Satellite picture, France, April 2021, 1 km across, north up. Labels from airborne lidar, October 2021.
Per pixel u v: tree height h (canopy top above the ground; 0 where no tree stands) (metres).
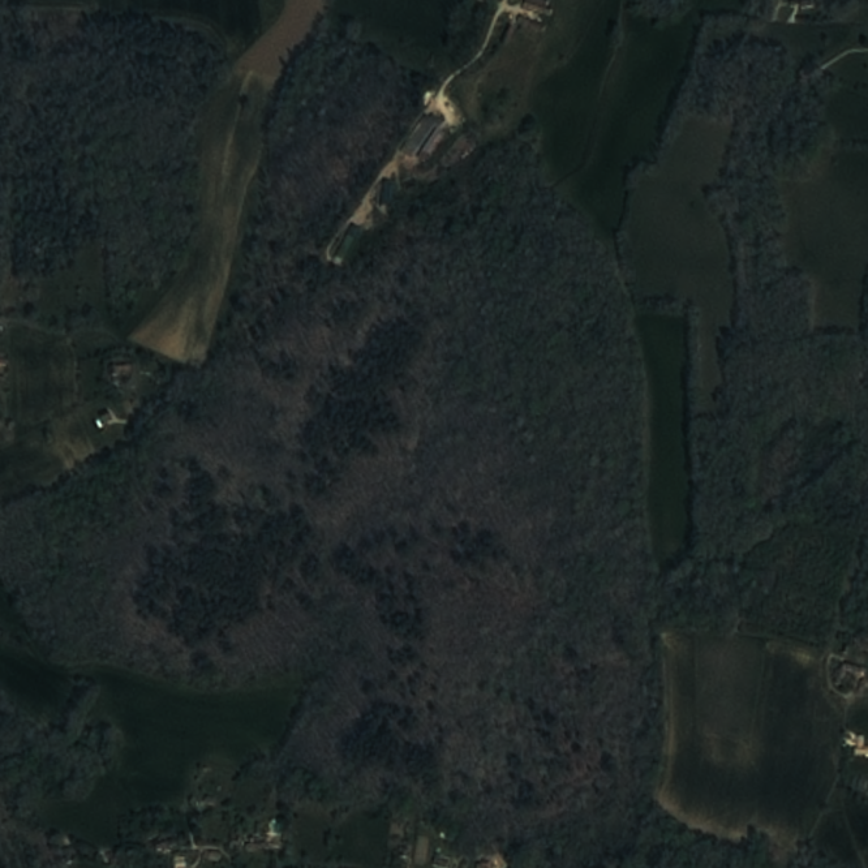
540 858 22
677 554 0
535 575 14
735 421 24
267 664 17
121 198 25
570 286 21
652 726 14
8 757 12
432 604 10
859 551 11
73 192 15
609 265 21
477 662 13
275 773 15
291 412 16
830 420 13
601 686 12
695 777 0
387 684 10
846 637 9
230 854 6
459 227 23
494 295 19
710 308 0
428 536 15
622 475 15
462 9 19
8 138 12
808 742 0
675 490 0
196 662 15
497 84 0
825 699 0
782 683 0
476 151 8
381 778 18
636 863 25
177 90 12
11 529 20
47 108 18
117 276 15
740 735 0
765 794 0
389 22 0
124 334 0
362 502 15
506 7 0
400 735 13
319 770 19
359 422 26
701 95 21
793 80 25
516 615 7
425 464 16
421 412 16
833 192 0
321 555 15
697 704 0
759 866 22
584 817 14
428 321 17
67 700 0
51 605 18
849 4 17
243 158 0
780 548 8
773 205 26
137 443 15
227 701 0
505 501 14
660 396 0
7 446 0
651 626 16
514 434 17
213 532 25
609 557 17
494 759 16
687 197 0
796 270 0
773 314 23
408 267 14
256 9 0
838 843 0
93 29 23
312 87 21
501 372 20
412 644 16
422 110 19
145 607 26
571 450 16
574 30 0
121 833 6
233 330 8
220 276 0
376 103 18
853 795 8
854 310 0
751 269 12
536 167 20
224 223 0
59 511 26
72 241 22
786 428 10
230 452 17
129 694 0
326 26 13
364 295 18
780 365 18
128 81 19
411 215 6
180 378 16
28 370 0
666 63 0
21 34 17
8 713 20
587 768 10
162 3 0
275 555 27
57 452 0
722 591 22
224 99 0
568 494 14
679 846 25
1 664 0
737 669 0
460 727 13
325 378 19
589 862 21
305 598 17
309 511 16
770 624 8
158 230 23
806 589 8
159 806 0
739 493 25
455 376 27
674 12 14
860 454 22
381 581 20
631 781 14
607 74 0
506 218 23
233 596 25
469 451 16
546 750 9
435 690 9
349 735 17
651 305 10
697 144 0
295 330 17
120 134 21
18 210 12
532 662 13
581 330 22
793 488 15
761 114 21
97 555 15
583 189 0
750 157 19
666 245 0
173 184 29
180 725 0
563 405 17
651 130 0
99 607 17
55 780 21
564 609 20
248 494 15
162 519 17
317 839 0
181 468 13
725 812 0
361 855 0
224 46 0
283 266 17
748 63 20
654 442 0
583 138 0
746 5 15
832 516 27
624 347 25
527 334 24
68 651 23
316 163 23
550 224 28
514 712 8
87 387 0
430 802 20
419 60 0
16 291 0
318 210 18
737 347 24
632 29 0
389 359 24
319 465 20
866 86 6
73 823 0
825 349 19
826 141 24
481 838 16
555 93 0
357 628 20
